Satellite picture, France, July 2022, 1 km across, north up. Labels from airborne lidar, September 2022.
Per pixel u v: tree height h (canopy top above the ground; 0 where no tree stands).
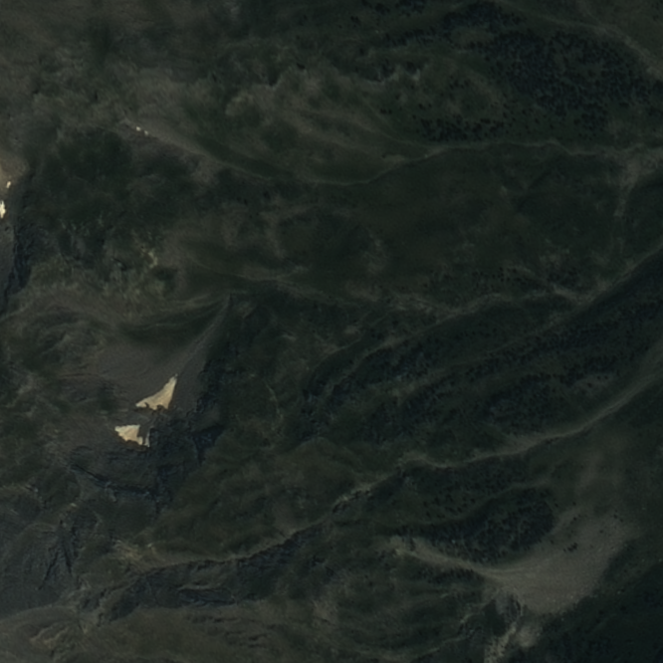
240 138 0
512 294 0
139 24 0
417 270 0
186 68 0
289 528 0
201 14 0
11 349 0
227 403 0
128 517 0
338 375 0
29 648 0
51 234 0
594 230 0
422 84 0
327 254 0
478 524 12
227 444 0
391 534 0
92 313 0
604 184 0
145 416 0
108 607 0
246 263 0
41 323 0
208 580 0
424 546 0
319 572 0
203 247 0
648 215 0
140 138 0
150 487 0
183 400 0
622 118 0
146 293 0
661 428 0
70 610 0
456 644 0
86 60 0
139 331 0
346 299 0
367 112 0
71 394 0
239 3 0
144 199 0
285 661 0
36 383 0
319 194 0
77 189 0
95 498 0
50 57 0
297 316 0
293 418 0
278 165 0
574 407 0
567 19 0
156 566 0
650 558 0
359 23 10
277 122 0
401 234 0
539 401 7
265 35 0
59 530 0
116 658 0
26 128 0
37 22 0
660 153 0
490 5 10
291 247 0
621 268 0
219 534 0
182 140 0
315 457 0
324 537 0
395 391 0
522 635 0
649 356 0
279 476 0
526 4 0
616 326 8
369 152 0
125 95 0
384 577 0
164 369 0
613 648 9
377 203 0
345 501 0
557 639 0
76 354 0
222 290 0
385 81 0
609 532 0
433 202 0
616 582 0
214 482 0
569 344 11
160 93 0
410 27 0
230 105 0
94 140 0
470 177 0
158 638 0
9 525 0
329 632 0
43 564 0
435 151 0
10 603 0
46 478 0
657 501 0
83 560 0
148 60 0
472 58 0
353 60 0
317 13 0
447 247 0
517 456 0
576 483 0
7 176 0
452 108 0
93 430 0
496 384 0
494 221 0
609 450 0
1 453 0
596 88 10
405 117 0
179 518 0
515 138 0
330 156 0
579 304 0
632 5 0
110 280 8
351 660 0
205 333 0
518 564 0
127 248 0
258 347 0
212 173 0
